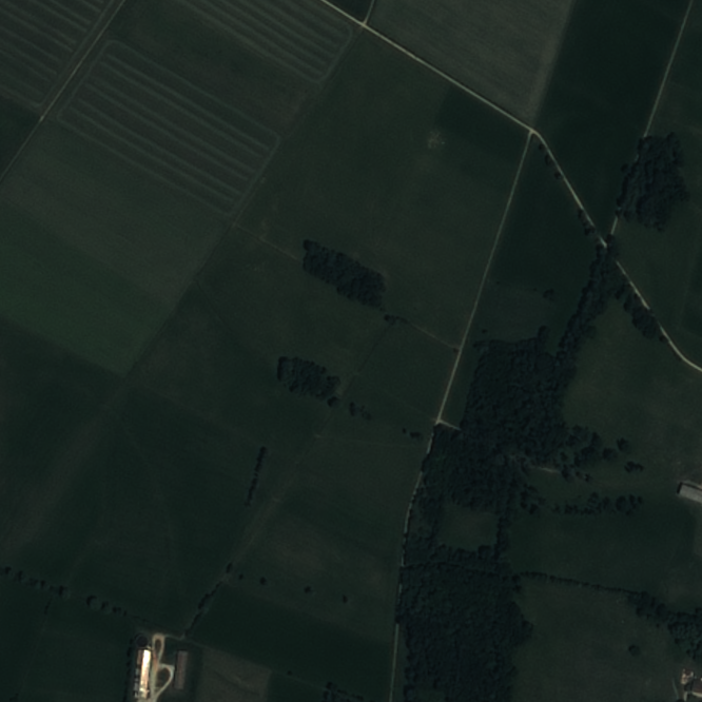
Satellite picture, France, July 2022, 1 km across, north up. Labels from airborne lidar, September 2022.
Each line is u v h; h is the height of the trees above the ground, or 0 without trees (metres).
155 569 0
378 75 0
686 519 0
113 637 0
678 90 0
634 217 23
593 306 21
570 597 0
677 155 14
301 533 0
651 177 19
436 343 0
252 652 0
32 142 0
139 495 0
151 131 0
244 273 0
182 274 0
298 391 18
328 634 0
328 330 0
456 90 0
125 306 0
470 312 0
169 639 0
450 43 0
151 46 0
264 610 0
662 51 0
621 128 0
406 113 0
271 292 0
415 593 16
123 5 0
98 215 0
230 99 0
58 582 0
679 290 0
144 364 0
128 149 0
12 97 0
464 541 0
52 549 0
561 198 0
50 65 0
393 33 0
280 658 0
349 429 0
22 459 0
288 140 0
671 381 0
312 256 8
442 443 16
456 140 0
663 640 0
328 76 0
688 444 0
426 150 0
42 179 0
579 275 0
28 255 0
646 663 0
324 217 0
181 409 0
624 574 0
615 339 0
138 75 0
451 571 20
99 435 0
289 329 0
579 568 0
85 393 0
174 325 0
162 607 0
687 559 0
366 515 0
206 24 0
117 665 0
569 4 0
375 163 0
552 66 0
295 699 0
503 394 13
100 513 0
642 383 0
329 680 0
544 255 0
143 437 0
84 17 0
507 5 0
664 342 15
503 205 0
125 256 0
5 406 0
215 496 0
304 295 0
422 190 0
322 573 0
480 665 28
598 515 21
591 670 0
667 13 0
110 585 0
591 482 12
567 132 0
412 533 8
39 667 0
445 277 0
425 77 0
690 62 0
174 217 0
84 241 0
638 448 0
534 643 0
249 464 0
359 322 0
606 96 0
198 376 0
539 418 21
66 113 0
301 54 0
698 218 0
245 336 0
